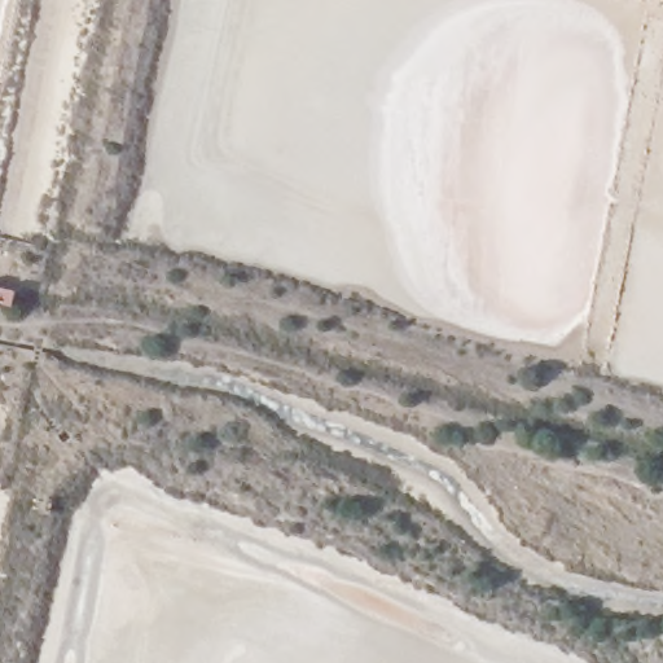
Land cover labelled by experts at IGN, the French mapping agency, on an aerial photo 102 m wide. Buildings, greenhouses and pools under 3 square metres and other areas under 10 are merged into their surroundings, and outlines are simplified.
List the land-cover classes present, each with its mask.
<instances>
[{"label":"pervious surface","instance_id":"1","mask_svg":"<svg viewBox=\"0 0 663 663\"><path fill-rule=\"evenodd\" d=\"M21 0H0V85L5 80V62ZM98 8V0H41V16L36 23V39L28 57L26 85L21 96V119L13 140L16 158L10 166L0 212V230L13 236L31 233H36L39 202L52 184V161L57 150L67 145L73 135V106L83 96V85L75 83V75H80L85 67V52L78 49L83 16ZM124 233L127 238H137L145 243H168L176 251H207L220 259L238 262L313 280L332 290H350L386 306L399 308L407 316H414L451 321L456 326L487 334L492 339H523L539 344H557L572 329H578L580 344L585 350H596L598 368L614 365V373L622 378L663 386V0H171L168 36L161 54L155 104L148 124L145 174ZM8 275L34 282L39 275H44V267L26 264L23 256L13 251H0V277ZM65 355L104 368L135 370L140 376H153L161 381L223 388L238 396L256 399L264 407L282 414L298 433H306L334 451H347L355 458L388 466L394 477H399L401 489L412 497L427 500L453 523L464 526L479 544L489 546L492 554L500 562L518 567L521 575L531 585H559L575 596L601 598V603L611 611L663 614V593L593 580L570 572L562 562H549L534 549L521 546V541L510 531L500 526L495 508L487 502V497L477 489V484L464 474V469L453 458L435 453L430 445L407 433H396L391 427L368 422L350 412H329L313 399H303L298 394L267 388L269 376H262L256 370L246 376H225L218 368H194L184 360H171L124 355L65 347ZM363 435H370L383 445L401 448L404 453L381 456L365 451L360 448ZM39 663H588L575 653L559 650L557 645L536 642L528 635L508 632L497 624L479 622L477 616L456 609L448 598L417 590L401 583L396 575L373 570L365 559L339 554L334 546L319 549L308 539L287 536L277 528H262L249 518H238L192 500H176L163 489L153 487L150 479H145L135 469L98 474L91 484L88 497L73 513Z\"/></svg>","mask_w":663,"mask_h":663},{"label":"herbaceous vegetation","instance_id":"2","mask_svg":"<svg viewBox=\"0 0 663 663\"><path fill-rule=\"evenodd\" d=\"M41 16V0H21L5 62V80L0 85V212L10 166L16 158L13 140L21 119V96L26 85L28 57L36 39V23ZM150 0H117L114 28L101 65L98 101L93 109V132L85 145V163L75 184V202L70 207V225L91 236L101 233L106 210L117 207L111 186L117 184L119 155L109 153L106 142L124 140L132 117V98L142 91V78L148 73L155 36V31L148 26ZM98 26V8L83 16L78 49L85 52ZM70 163L67 145L57 150L52 161V184L39 202L36 233L47 238L57 230V194ZM0 251H13L23 256L26 264L44 267L49 262V251L34 243L31 233L13 236L0 230ZM140 259L137 251L106 254L93 246L73 241L67 254L62 256V275L49 287V293H39L34 282L8 275L0 277V287L13 290V303H0V404L5 412H31V404L44 401V396H65L73 404V409L88 414V422L54 417L52 433H47L44 420H36L31 425L26 445H52V451L57 453V464L41 469V474L36 477V513H47L52 508V495L57 492V487H62V482L70 474H78L85 466L96 469L98 474L135 469L145 479H150L153 487L163 489L176 500H192L238 518H249L262 528H277L287 536L308 539L319 549L334 546L339 554L365 559L373 570L396 575L401 583L417 590L448 598L456 609L477 616L479 622L497 624L508 632L528 635L536 642L557 645L559 650L575 653L588 663H663V614L611 611L601 603V598L575 596L559 585H531L521 575L513 583H505L497 590H492L487 580L477 578L474 567L482 559H489L492 554L489 546L479 544L464 526L453 523L427 500L412 497L401 489L394 502H386L376 515L365 518L363 523L339 518L326 508V497H370L373 487L350 482L347 474H339L334 479L316 477L308 469V464L293 461L290 451H298L300 443L282 438L267 420L256 417L254 412L236 404H223L218 399L163 394L127 381H104L98 386L91 373L60 368V360L65 355V347L124 355V347L140 344L150 334H163L161 321L122 316L114 306H57V295H73L78 290L80 275L91 277L88 293H93L98 285H122L127 287V295L132 293L145 300H158L171 308H179L207 306L210 311L218 316H254L256 326H269L277 337H285L293 344L329 350L334 355L352 357L355 363L339 376H334L319 373L306 363L275 357L269 350L254 352L233 344L230 339H205L192 337L181 342L171 360H184L194 368H218L225 376H246L256 370L262 376H269L267 388L298 394L303 399H313L329 412H350L368 422L391 427L396 433H407L430 445L435 453L453 458L464 469V474L477 484V489L487 497V502L495 508L500 526L510 531L521 541V546L534 549L549 562H562L570 572L593 580L663 593V489L653 492L650 484H645L637 477L635 461L622 456L614 461L580 464L575 458L567 461L539 456L518 445L513 433H502L495 443L451 445L448 433L440 425L453 422L471 427L492 422L495 417L489 412L453 409L443 401H427L417 407L401 404V399L386 386L363 381L365 376L357 368L360 360L401 370L407 376H422L440 386L469 388L474 394H484L500 401L528 404L534 399L562 396L570 394L575 386L590 388L593 394L588 404L572 412L567 409L562 417L565 422L580 425L596 412L616 407L622 414L637 417L653 430L663 427V386L622 378L614 373V365L598 368L596 350H585L580 344L578 329H572L557 344H539L523 339H492L487 334L456 326L451 321L414 316L412 326L396 332L383 321L386 306L350 290H332L313 280L238 262L225 282L215 280L207 272H197L176 285L168 280L166 269H158V282H150L145 277L129 280L119 275V264ZM541 360L567 363L565 373H559L554 381H549L541 388H523L508 383L510 373H518L521 368L536 365ZM391 513H407L420 526V536L401 534L391 521ZM360 448L365 451L381 456L404 453L401 448L383 445L370 435H363Z\"/></svg>","mask_w":663,"mask_h":663},{"label":"brushwood","instance_id":"3","mask_svg":"<svg viewBox=\"0 0 663 663\"><path fill-rule=\"evenodd\" d=\"M117 0H98V26L85 52V67L80 75H75V83L83 85V96L73 106V135L67 145L70 163L57 194V230L47 238L36 233H31L34 243L49 251V262L44 267V275H39L34 282L39 293H49V287L62 275V256L67 254L73 241L93 246L106 254L137 251L140 259L119 264V275L129 280L145 277L150 282H158V269H166L168 280L176 285L197 272H207L215 280L225 282L238 262L220 259L207 251H176L168 243H145L137 238H127L124 233L145 174L148 124L155 104L161 54L168 36L171 0H150L148 26L155 31V36L148 73L142 78V91L132 98V117L124 140L106 142L109 153L119 155L117 184L111 186L117 207L106 210L101 233L91 236L70 225V207L75 202V184L85 163V145L93 132V109L98 101L101 65L114 28ZM91 277L80 275L78 290L73 295H57V306H114L122 316L161 321L163 334H150L140 344L124 347V355L171 360L181 342L168 334L174 313L179 308H171L158 300H145L132 293L127 295V287L122 285H98L93 293H88ZM383 321L396 332L412 326L414 316H407L399 308L386 306ZM205 339H230L233 344L254 352L269 350L275 357L306 363L319 373L334 376H339L355 363L352 357L334 355L329 350L293 344L285 337H277L269 326H256L254 316H218L210 311V334ZM60 368L91 373L98 386L104 381H127L163 394L218 399L223 404H236L254 412L256 417L267 420L282 438L300 443L298 451H290L293 461L308 464V469L316 477L334 479L339 474H347L350 482L373 487L370 497H326V508L339 518L363 523L365 518L376 515L386 502H394L401 489L399 477H394L388 466L355 458L347 451H334L306 433H298L282 414L264 407L256 399L238 396L223 388L161 381L153 376H140L135 370L104 368L65 355L60 360ZM357 368L365 376L363 381L386 386L401 399V404L417 407L427 401H443L453 409L489 412L495 417L492 422L518 417L523 409L534 420L565 422L562 417L567 409L562 396L534 399L528 404L500 401L484 394H474L469 388L440 386L422 376H407L401 370L360 360ZM54 417L88 422V414L73 409V404L65 396H44V401L31 404V412H5L0 404V663H39L73 513L88 497L91 484L98 474L96 469L85 466L78 474H70L62 482V487H57V492L52 495V508L47 513H36V477L41 474V469L57 464V453L52 451V445H26L31 425L36 420H44L47 433H52ZM588 433V440L583 443L575 458L580 464L614 461L622 456V440H645L653 430L637 417L622 414L616 407L596 412L580 425ZM391 521L401 534L420 536V526L407 513H391ZM477 578L487 580L492 590H497L505 583H513L521 575L518 567L500 562L492 554L489 559H482L474 567Z\"/></svg>","mask_w":663,"mask_h":663},{"label":"deciduous trees","instance_id":"4","mask_svg":"<svg viewBox=\"0 0 663 663\"><path fill-rule=\"evenodd\" d=\"M168 334L181 342L192 337L205 339L210 334V311L207 306L179 308L174 313ZM567 363L541 360L536 365L521 368L518 373H510L508 383L523 388H541L549 381H554L559 373H565ZM593 394L590 388L575 386L570 394L562 396L567 409L572 412L588 404ZM448 433L451 445L495 443L502 433H513L518 445L539 456L567 461L575 458L583 443L588 440V433L580 425L565 422L534 420L523 409L518 417L492 422L471 427L453 422L440 425ZM622 456L635 461L637 477L645 484H650L653 492L663 489V427L653 430L645 440H622Z\"/></svg>","mask_w":663,"mask_h":663},{"label":"building","instance_id":"5","mask_svg":"<svg viewBox=\"0 0 663 663\"><path fill-rule=\"evenodd\" d=\"M0 303H13V290L0 287Z\"/></svg>","mask_w":663,"mask_h":663}]
</instances>
